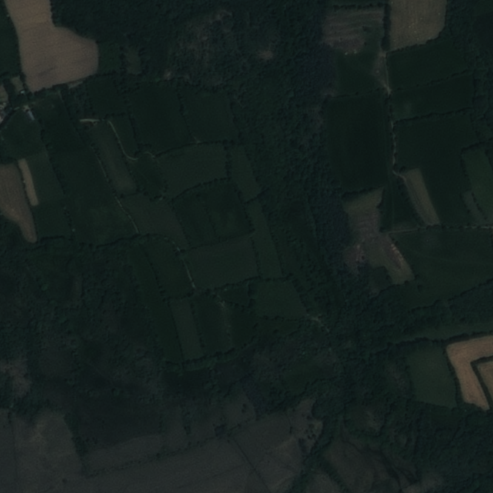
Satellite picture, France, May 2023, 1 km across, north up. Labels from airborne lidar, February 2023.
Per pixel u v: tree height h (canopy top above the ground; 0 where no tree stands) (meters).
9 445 0
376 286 0
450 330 0
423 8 0
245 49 8
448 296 0
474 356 0
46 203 0
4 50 0
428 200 0
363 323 16
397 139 6
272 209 18
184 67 8
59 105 0
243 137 11
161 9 17
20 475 0
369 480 0
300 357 6
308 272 9
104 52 0
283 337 7
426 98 0
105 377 0
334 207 18
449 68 0
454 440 6
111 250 9
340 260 23
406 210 0
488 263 0
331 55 18
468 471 7
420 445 9
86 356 0
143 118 0
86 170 0
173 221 0
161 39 20
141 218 0
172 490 0
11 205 0
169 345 0
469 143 0
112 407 0
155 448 0
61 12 17
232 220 0
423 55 0
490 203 0
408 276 0
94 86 0
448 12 10
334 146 0
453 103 0
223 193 0
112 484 0
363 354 17
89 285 8
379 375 11
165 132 0
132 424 0
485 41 0
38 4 0
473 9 15
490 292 13
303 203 6
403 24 0
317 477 0
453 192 0
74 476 0
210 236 0
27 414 6
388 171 0
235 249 0
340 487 6
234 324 0
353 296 15
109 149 0
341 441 0
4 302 0
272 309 0
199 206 0
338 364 6
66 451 0
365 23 0
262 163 8
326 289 6
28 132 0
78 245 7
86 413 0
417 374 0
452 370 6
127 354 6
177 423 0
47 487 0
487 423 19
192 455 0
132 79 13
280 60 9
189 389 0
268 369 7
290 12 17
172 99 0
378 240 0
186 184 0
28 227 0
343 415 8
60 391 0
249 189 0
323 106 10
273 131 8
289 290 0
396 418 0
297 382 0
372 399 8
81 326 6
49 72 0
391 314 13
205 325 0
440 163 0
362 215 0
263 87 8
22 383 0
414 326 22
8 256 9
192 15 14
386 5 10
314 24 19
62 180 9
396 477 0
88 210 0
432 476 0
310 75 20
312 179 12
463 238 0
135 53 0
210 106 0
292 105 19
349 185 0
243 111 7
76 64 0
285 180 13
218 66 8
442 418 0
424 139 0
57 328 7
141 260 0
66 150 0
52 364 0
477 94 9
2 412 0
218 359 16
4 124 12
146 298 0
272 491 0
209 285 0
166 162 0
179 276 0
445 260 0
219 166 0
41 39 0
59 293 0
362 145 0
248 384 19
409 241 0
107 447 0
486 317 20
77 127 10
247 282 8
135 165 0
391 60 0
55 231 0
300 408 0
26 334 7
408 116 0
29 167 0
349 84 0
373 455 0
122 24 18
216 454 0
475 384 0
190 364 19
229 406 0
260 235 0
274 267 0
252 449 0
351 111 0
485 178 0
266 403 16
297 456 0
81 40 0
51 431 0
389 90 0
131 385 0
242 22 13
